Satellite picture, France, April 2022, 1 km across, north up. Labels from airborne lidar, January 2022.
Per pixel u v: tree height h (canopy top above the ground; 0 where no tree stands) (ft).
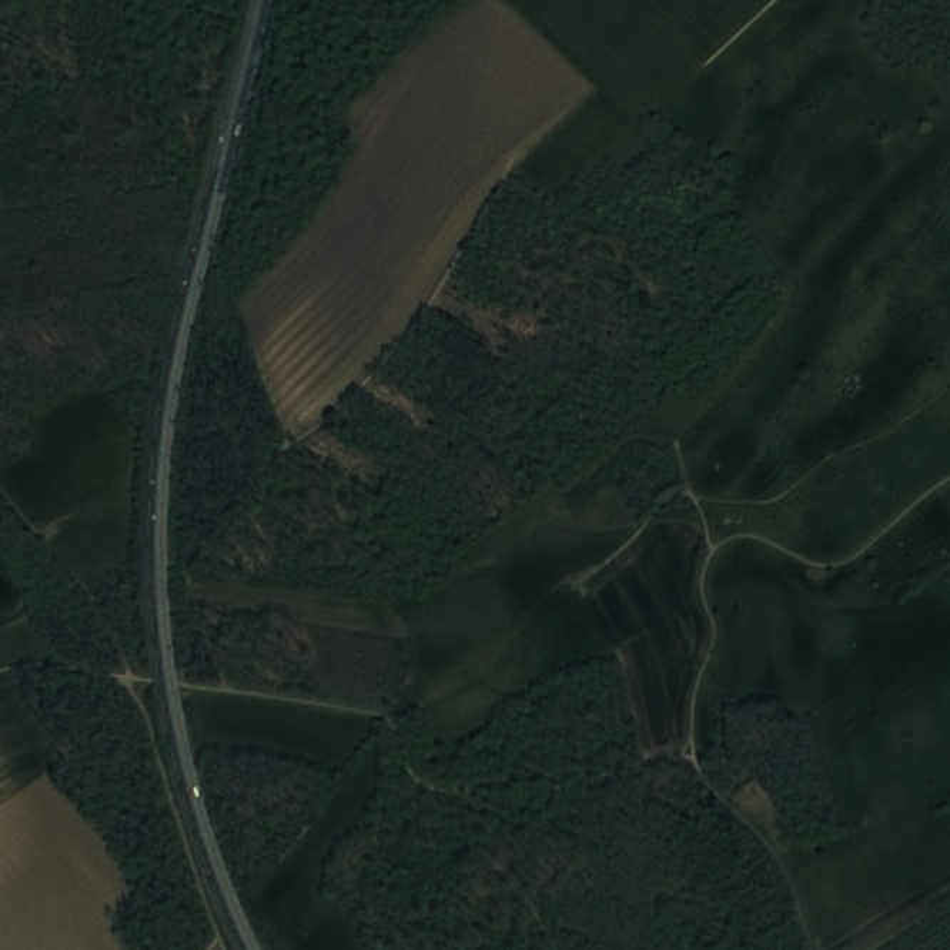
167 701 0
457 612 0
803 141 0
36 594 53
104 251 43
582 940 67
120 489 0
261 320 0
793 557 0
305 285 0
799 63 0
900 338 0
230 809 71
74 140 89
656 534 0
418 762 66
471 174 0
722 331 67
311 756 0
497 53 0
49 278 39
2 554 59
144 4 64
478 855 85
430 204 0
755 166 0
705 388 44
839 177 0
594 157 0
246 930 0
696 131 0
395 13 55
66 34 43
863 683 0
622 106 0
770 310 41
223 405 70
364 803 0
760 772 26
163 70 70
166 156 89
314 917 0
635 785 79
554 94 0
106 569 0
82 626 61
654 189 73
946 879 0
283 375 0
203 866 0
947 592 0
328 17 64
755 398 0
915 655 0
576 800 75
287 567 36
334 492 84
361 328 0
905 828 0
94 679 38
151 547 0
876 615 0
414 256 0
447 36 0
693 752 0
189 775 0
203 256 0
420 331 50
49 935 0
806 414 0
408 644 0
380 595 24
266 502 32
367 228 0
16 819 0
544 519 0
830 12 0
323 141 72
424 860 25
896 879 0
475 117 0
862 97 0
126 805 39
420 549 74
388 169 0
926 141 0
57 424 0
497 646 0
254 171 37
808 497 0
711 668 0
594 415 80
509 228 65
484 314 66
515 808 79
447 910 73
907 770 0
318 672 0
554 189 0
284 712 0
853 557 0
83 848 0
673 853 65
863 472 0
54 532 0
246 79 0
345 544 90
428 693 0
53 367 70
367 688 0
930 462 0
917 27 55
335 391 0
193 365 29
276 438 60
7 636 0
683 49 0
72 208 39
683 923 85
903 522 0
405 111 0
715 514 0
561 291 74
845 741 0
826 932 0
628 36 0
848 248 0
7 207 31
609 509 0
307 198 80
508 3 0
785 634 0
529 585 0
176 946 63
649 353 58
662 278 76
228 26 66
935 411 0
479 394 71
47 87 86
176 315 0
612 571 0
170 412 0
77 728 48
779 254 0
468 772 77
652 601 0
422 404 61
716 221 22
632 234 86
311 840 0
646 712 0
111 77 21
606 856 88
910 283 0
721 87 0
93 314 66
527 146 0
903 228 0
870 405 0
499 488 90
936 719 0
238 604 0
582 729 92
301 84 74
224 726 0
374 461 75
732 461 0
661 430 0
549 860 102
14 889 0
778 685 0
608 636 0
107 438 0
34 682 58
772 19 0
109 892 0
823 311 0
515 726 94
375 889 39
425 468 56
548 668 0
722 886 27
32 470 0
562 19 0
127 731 66
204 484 60
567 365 45
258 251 69
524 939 78
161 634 0
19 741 0
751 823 0
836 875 0
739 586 0
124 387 72
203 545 44
